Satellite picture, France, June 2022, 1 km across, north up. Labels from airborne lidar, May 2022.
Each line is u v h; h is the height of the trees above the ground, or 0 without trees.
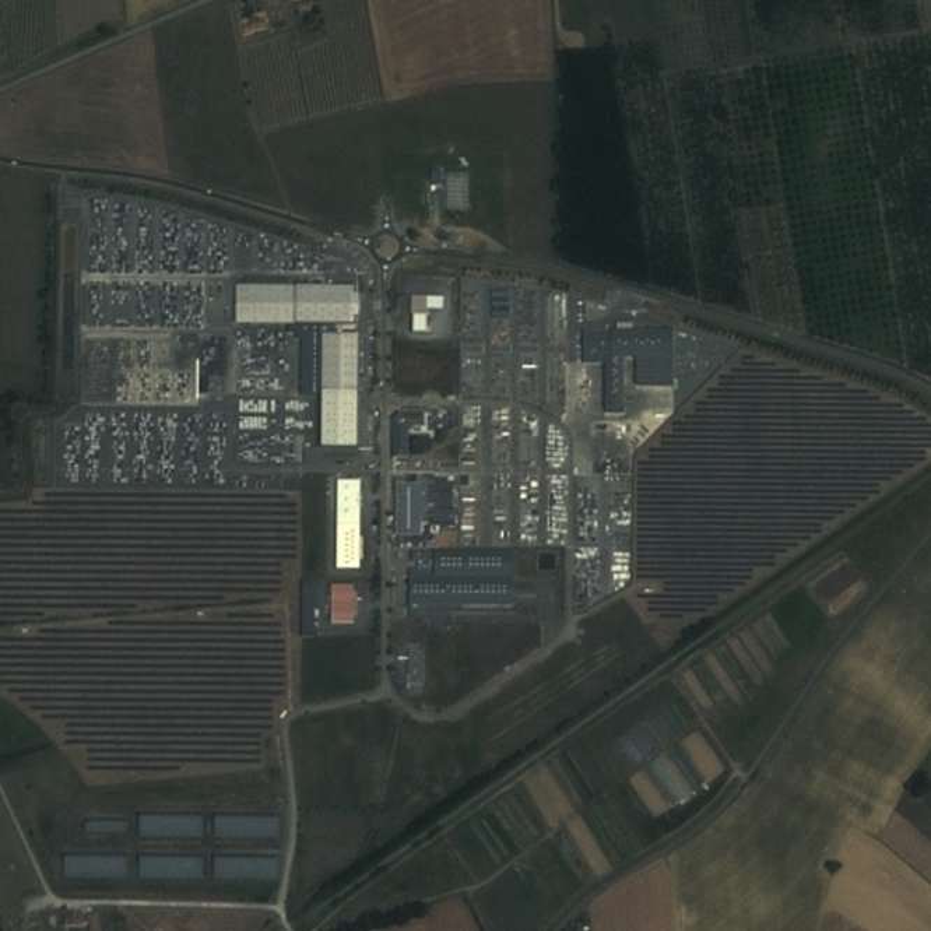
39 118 0
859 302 7
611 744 0
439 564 0
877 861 0
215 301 0
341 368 0
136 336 0
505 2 0
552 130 0
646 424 0
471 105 0
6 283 0
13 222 0
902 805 0
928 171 8
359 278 0
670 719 0
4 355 0
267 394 0
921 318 7
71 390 0
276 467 0
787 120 7
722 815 0
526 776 0
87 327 0
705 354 0
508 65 0
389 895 0
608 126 10
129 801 0
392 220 0
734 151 7
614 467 0
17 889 0
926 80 6
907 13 8
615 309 0
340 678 0
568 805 0
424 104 0
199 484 0
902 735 0
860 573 0
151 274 0
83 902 0
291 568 0
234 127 0
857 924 0
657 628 0
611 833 0
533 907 0
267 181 0
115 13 0
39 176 0
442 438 16
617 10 0
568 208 11
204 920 0
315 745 0
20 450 0
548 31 0
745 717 0
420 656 0
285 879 0
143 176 0
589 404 0
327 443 0
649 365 0
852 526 0
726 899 0
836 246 8
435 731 0
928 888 0
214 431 0
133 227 0
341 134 0
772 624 0
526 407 0
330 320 0
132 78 0
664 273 6
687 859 0
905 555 0
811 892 0
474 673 0
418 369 0
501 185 0
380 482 0
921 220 8
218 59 0
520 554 0
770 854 0
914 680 0
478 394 0
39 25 0
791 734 0
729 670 0
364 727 0
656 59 6
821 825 0
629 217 11
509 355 0
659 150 6
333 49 0
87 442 0
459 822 0
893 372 0
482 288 0
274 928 0
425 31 0
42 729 0
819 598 0
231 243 0
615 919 0
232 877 0
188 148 0
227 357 0
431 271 0
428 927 0
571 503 0
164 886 0
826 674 0
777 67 6
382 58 0
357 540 0
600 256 12
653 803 0
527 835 0
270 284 0
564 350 0
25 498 0
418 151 0
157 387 0
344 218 0
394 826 0
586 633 0
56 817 0
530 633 0
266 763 0
